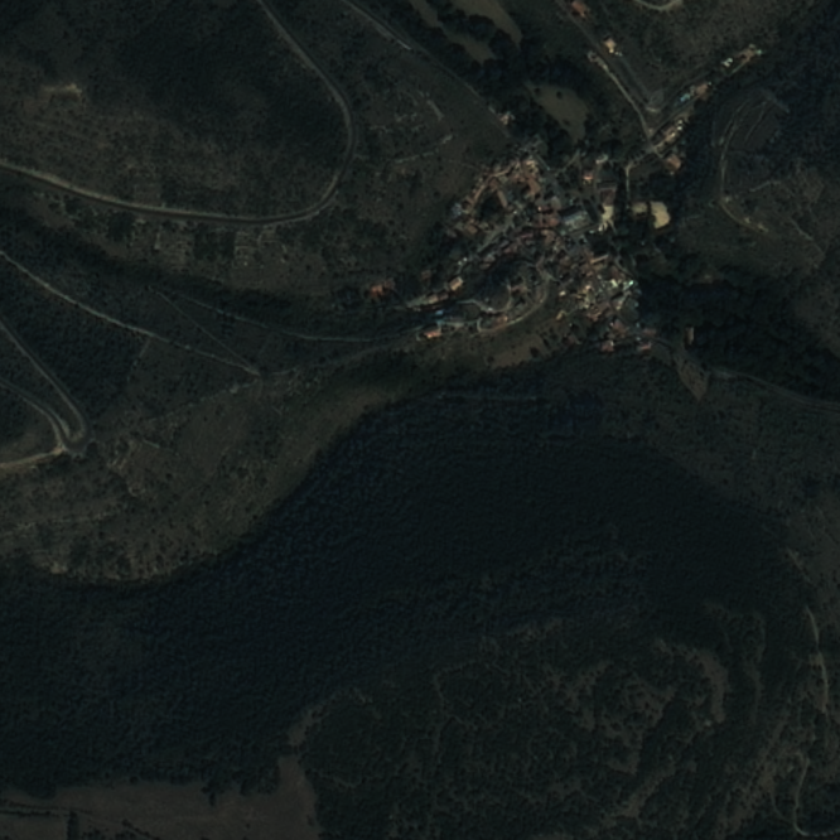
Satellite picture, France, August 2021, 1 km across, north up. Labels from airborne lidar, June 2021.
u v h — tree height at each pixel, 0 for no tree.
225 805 0
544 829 8
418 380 7
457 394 7
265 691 6
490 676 7
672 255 11
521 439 7
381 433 7
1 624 6
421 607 8
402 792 6
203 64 7
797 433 6
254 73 8
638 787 7
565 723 9
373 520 6
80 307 7
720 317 22
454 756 9
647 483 8
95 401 6
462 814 8
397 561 8
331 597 7
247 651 8
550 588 8
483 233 9
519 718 7
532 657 8
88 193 0
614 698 9
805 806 8
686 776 7
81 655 6
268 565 6
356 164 7
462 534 8
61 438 0
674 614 10
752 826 11
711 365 9
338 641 7
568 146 7
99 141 0
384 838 11
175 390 6
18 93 7
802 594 7
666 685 7
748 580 7
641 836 9
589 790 6
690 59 8
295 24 7
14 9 6
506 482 7
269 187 7
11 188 7
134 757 10
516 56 23
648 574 7
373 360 7
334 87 0
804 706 7
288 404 8
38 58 5
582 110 0
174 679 9
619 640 7
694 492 8
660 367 9
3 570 9
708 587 7
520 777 8
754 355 26
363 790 7
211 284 9
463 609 7
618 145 13
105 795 0
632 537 8
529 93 11
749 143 0
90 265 11
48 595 5
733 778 7
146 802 0
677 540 8
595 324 11
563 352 7
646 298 18
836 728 7
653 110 0
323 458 16
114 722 7
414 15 14
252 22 9
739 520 6
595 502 7
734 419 6
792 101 6
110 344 7
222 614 7
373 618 7
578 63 9
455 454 6
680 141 6
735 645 13
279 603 9
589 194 0
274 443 8
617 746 8
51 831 0
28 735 8
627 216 8
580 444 6
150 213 0
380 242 8
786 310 10
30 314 9
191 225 7
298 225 6
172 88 5
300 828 0
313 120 6
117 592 16
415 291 17
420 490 8
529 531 7
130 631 5
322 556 8
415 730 6
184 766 7
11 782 7
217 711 9
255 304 14
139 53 6
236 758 7
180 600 8
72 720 6
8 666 7
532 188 0
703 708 6
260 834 0
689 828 8
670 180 12
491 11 0
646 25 6
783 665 7
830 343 6
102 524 6
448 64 8
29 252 10
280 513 11
